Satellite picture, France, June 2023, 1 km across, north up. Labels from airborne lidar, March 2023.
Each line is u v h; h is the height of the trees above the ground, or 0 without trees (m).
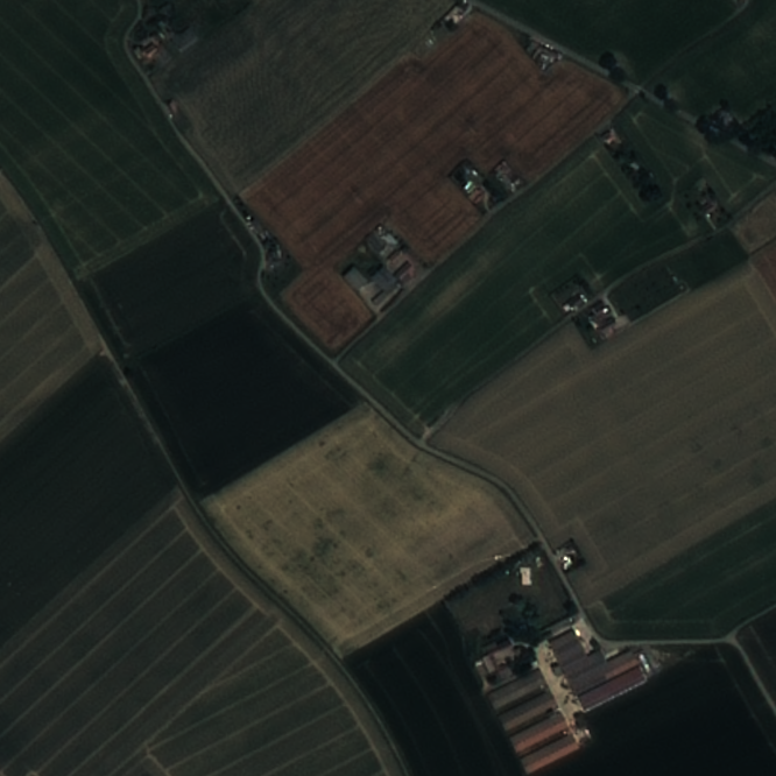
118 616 0
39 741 0
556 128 0
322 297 0
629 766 0
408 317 0
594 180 0
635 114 0
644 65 0
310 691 0
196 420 0
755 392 0
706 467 0
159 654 0
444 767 0
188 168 0
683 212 0
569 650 0
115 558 0
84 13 0
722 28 0
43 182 0
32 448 0
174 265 0
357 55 0
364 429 0
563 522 0
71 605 0
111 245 0
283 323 0
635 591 0
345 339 0
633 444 0
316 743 0
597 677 0
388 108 0
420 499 0
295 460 0
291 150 0
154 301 0
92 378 0
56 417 0
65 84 0
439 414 0
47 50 0
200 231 0
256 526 0
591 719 0
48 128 0
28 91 0
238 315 0
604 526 0
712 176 0
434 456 0
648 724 0
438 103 0
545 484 0
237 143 0
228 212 0
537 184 0
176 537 0
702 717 0
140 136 0
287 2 0
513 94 0
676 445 0
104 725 0
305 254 0
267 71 0
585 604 0
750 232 0
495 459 0
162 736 0
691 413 0
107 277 0
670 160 0
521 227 0
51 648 0
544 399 0
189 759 0
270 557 0
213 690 0
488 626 0
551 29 0
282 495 0
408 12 0
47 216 0
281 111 0
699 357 0
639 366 0
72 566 0
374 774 0
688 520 0
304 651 0
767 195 0
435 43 0
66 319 0
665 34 0
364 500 0
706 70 0
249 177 0
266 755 0
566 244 0
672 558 0
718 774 0
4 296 0
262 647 0
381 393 0
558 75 0
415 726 0
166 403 0
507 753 0
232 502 0
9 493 0
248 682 0
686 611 0
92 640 0
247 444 0
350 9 0
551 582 0
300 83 0
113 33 0
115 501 0
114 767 0
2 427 0
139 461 0
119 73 0
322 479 0
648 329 0
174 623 0
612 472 0
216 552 0
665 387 0
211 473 0
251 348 0
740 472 0
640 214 0
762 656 0
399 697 0
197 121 0
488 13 0
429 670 0
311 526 0
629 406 0
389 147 0
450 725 0
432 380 0
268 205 0
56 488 0
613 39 0
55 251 0
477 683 0
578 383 0
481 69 0
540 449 0
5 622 0
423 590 0
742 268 0
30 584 0
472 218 0
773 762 0
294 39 0
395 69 0
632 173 6
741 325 0
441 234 0
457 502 0
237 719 0
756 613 0
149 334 0
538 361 0
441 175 0
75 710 0
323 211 0
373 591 0
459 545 0
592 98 0
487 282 0
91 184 0
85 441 0
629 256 0
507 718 0
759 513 0
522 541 0
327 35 0
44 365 0
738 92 0
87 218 0
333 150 0
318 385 0
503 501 0
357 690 0
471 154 0
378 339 0
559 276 0
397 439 0
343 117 0
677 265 0
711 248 0
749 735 0
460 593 10
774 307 0
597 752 0
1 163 0
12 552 0
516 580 0
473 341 0
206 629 0
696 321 0
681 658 0
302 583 0
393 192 0
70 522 0
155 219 0
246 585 0
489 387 0
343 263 0
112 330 0
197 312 0
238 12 0
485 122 0
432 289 0
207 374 0
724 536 0
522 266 0
